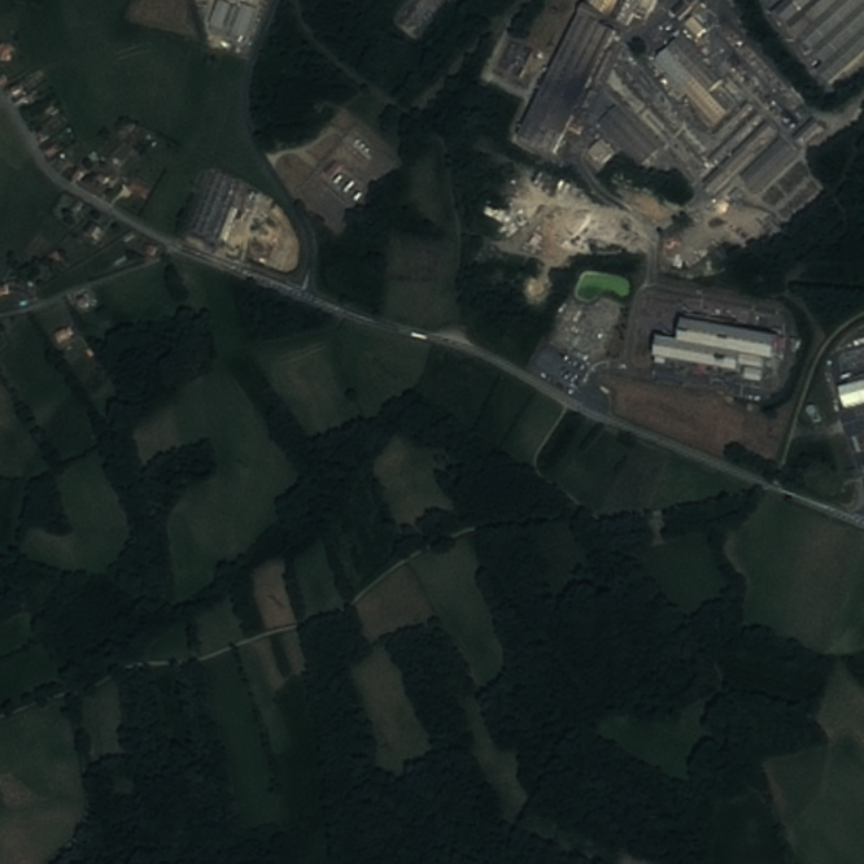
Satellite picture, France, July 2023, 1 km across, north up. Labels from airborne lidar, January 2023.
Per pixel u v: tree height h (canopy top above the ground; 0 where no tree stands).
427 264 0
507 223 0
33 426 16
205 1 0
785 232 13
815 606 0
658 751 0
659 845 23
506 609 23
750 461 16
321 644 15
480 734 0
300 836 7
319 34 12
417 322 0
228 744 0
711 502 10
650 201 0
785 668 6
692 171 0
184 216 10
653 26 0
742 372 0
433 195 0
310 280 0
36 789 0
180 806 23
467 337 0
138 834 19
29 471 0
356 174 0
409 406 18
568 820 20
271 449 0
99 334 0
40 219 0
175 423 0
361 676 0
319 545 0
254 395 0
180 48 0
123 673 19
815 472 0
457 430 20
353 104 0
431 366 0
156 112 0
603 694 18
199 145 0
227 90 0
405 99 13
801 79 11
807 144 0
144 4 0
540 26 0
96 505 0
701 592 0
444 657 25
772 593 0
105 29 0
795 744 13
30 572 6
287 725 0
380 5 15
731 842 0
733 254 15
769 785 10
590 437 6
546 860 25
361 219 18
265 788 0
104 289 0
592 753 22
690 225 0
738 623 12
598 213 0
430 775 26
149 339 18
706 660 25
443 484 16
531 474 16
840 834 0
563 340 0
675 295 0
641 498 0
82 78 0
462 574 0
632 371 0
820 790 0
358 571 0
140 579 19
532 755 14
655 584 16
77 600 6
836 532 0
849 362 0
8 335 0
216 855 14
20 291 0
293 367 0
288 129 6
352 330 0
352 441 22
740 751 18
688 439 0
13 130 0
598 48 0
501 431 0
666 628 24
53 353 16
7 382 7
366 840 24
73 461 9
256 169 0
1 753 0
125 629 8
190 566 0
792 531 0
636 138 0
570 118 0
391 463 0
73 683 25
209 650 0
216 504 0
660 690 14
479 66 14
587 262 6
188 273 0
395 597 0
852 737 0
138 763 21
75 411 0
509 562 26
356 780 22
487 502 19
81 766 0
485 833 18
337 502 17
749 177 0
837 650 0
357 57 7
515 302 12
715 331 0
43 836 0
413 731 0
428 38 8
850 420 0
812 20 0
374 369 0
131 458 16
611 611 21
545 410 0
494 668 0
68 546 0
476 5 11
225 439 0
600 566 16
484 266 7
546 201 0
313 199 0
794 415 0
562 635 21
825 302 23
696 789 13
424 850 24
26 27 0
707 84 0
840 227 17
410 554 14
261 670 0
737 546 0
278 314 14
